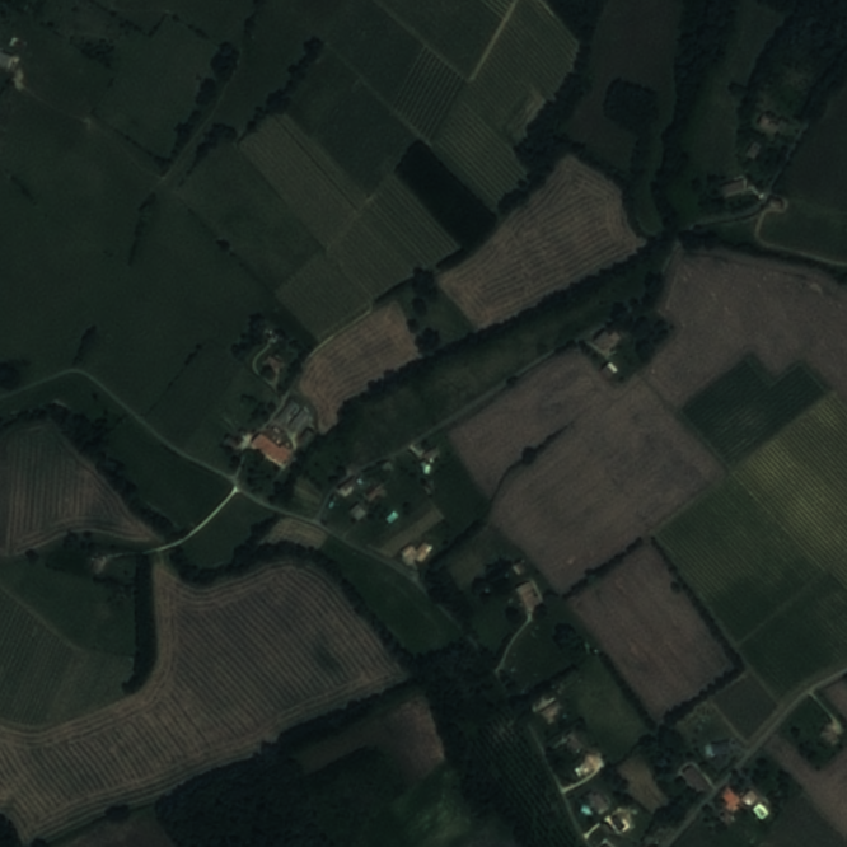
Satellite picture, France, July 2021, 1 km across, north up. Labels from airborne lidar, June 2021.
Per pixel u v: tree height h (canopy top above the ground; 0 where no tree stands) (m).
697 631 0
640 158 15
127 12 0
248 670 0
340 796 0
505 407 0
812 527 0
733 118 0
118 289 0
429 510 0
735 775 12
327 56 0
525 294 0
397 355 0
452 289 0
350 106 0
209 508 0
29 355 0
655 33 0
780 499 0
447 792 0
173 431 0
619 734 0
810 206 0
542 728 0
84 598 0
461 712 7
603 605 0
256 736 0
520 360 0
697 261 0
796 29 22
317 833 24
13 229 0
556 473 0
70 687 0
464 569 0
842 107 0
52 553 0
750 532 0
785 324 0
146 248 0
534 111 0
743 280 0
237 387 0
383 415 0
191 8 0
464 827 0
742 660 12
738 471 0
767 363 0
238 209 0
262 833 24
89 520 0
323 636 0
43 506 0
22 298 0
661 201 15
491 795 13
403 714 0
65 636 0
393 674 0
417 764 0
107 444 9
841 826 0
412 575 0
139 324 0
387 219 0
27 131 0
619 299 0
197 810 22
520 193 16
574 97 15
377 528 0
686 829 0
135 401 0
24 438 0
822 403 0
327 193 0
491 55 0
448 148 0
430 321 0
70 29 0
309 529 0
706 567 0
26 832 0
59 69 0
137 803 0
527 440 0
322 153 0
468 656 19
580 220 0
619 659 0
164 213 0
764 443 0
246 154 0
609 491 0
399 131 0
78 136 0
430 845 0
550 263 0
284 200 0
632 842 0
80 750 0
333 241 0
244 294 0
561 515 0
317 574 0
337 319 0
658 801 0
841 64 17
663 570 0
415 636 0
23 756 0
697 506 0
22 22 0
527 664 0
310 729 13
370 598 0
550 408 0
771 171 10
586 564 0
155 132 0
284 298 0
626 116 18
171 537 10
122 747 0
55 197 0
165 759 0
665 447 0
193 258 0
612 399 0
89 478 0
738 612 0
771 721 0
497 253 0
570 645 31
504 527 0
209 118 0
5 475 0
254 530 13
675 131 18
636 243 0
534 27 0
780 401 0
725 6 15
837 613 0
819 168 0
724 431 0
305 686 0
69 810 0
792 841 0
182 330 0
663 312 0
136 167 0
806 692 0
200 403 0
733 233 0
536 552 0
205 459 0
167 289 0
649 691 0
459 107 0
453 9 0
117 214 0
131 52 0
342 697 0
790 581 0
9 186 0
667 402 0
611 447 0
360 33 0
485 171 0
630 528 0
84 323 0
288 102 13
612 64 0
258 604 0
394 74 0
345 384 0
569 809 0
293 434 0
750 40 0
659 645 0
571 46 0
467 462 0
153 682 0
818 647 0
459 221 11
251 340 7
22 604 0
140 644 14
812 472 0
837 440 0
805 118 13
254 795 22
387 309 0
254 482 16
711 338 0
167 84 0
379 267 0
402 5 0
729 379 0
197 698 0
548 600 12
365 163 0
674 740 14
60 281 0
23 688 0
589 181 0
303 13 0
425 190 9
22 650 0
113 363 0
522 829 10
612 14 0
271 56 0
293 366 8
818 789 0
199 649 0
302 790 19
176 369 0
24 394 0
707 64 20
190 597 0
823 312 0
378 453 0
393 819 0
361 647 0
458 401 0
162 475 0
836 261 0
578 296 14
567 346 8
